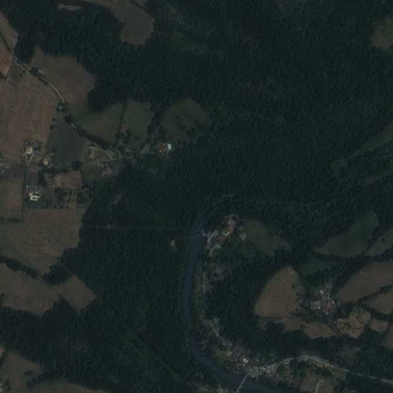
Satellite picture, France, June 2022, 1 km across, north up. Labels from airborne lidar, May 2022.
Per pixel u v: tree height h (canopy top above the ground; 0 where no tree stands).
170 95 22
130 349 14
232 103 24
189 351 12
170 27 9
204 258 21
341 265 6
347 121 8
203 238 0
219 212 18
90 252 17
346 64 17
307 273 0
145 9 7
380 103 9
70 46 21
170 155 9
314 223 19
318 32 17
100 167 0
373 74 7
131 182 19
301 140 20
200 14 17
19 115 0
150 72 13
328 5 13
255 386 0
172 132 0
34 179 0
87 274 18
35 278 12
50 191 0
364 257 7
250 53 13
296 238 7
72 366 11
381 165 20
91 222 15
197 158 14
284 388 18
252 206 20
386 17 19
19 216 0
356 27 15
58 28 24
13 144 0
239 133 14
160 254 25
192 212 29
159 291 23
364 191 33
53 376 22
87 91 0
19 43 11
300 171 17
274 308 0
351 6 18
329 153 17
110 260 25
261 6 16
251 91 9
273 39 7
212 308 16
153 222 21
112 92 25
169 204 13
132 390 19
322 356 14
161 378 16
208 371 13
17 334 18
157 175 11
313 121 22
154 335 21
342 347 7
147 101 13
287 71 15
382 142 0
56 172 16
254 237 0
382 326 0
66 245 0
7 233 0
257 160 18
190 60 15
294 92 7
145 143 6
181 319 22
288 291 0
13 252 0
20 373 0
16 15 11
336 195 28
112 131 0
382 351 7
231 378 0
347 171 24
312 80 21
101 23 19
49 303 0
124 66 27
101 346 22
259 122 19
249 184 22
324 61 21
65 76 0
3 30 0
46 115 0
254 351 21
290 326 0
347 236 0
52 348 18
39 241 0
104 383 17
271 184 20
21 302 0
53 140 0
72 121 8
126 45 19
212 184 24
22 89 0
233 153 18
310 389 0
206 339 12
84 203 5
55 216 0
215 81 22
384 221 19
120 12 0
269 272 13
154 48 19
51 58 0
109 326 19
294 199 14
